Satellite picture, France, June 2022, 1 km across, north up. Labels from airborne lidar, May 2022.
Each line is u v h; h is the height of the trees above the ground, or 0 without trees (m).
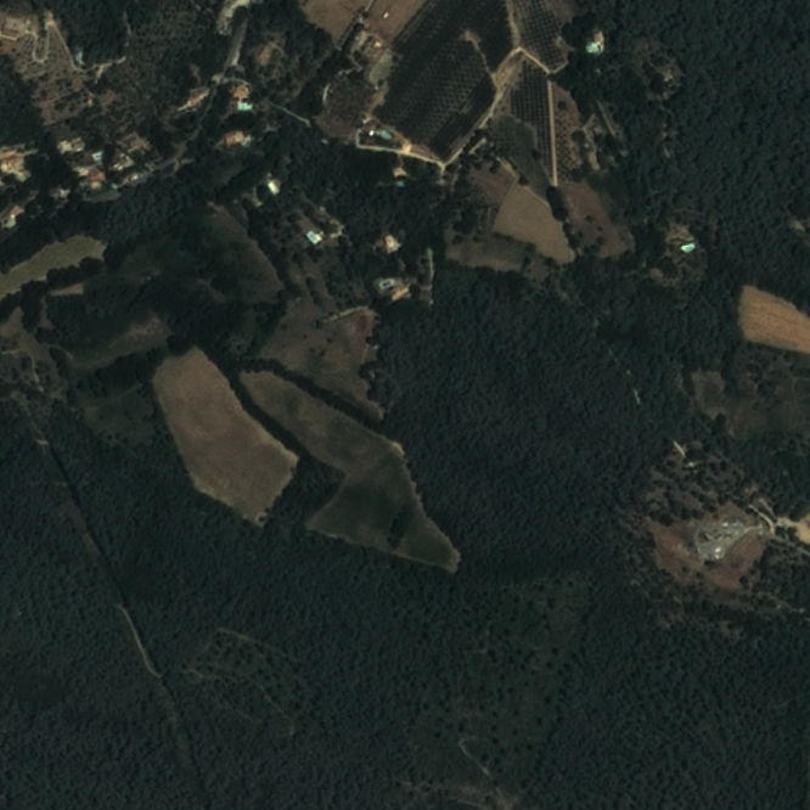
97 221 20
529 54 0
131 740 22
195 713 14
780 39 18
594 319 19
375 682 22
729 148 24
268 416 11
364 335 0
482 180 0
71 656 20
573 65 11
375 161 12
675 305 7
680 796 18
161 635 22
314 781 18
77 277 11
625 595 17
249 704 16
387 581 18
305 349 0
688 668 20
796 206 14
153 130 11
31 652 10
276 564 19
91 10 27
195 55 12
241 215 5
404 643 20
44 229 20
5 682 6
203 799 8
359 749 16
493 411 17
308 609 22
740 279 17
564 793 21
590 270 15
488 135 7
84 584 20
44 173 17
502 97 0
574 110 0
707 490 19
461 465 15
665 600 18
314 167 20
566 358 15
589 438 11
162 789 20
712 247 16
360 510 0
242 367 10
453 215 9
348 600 19
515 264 0
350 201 13
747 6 16
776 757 19
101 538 19
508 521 17
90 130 8
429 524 0
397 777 13
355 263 23
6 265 20
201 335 13
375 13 0
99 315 13
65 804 15
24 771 22
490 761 20
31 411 7
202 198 15
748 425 0
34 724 18
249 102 7
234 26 7
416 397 18
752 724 14
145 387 9
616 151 13
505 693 17
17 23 0
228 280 8
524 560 10
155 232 14
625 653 19
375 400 13
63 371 13
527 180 8
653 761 19
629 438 18
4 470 23
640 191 12
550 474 19
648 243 14
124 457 14
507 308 21
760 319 0
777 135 24
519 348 20
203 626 17
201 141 8
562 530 18
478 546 17
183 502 16
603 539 19
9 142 9
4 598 16
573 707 23
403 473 0
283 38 6
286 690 20
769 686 20
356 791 17
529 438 22
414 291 13
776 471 18
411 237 15
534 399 14
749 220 18
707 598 6
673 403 21
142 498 18
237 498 0
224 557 21
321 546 19
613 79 16
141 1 10
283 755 16
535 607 16
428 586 13
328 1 0
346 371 0
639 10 24
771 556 7
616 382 18
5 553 22
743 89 18
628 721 20
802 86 17
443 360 12
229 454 0
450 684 20
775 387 12
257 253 0
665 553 0
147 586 10
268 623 20
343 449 0
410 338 20
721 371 6
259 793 18
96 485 22
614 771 20
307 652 22
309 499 7
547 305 13
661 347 21
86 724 13
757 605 6
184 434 0
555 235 0
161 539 15
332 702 21
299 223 13
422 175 8
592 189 0
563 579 18
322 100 9
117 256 17
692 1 23
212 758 14
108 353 0
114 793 18
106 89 14
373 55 0
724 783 21
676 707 22
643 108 13
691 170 20
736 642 17
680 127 22
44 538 21
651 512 10
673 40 25
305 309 0
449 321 12
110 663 21
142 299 13
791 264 18
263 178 22
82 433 12
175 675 17
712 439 9
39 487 21
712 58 23
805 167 21
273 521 14
